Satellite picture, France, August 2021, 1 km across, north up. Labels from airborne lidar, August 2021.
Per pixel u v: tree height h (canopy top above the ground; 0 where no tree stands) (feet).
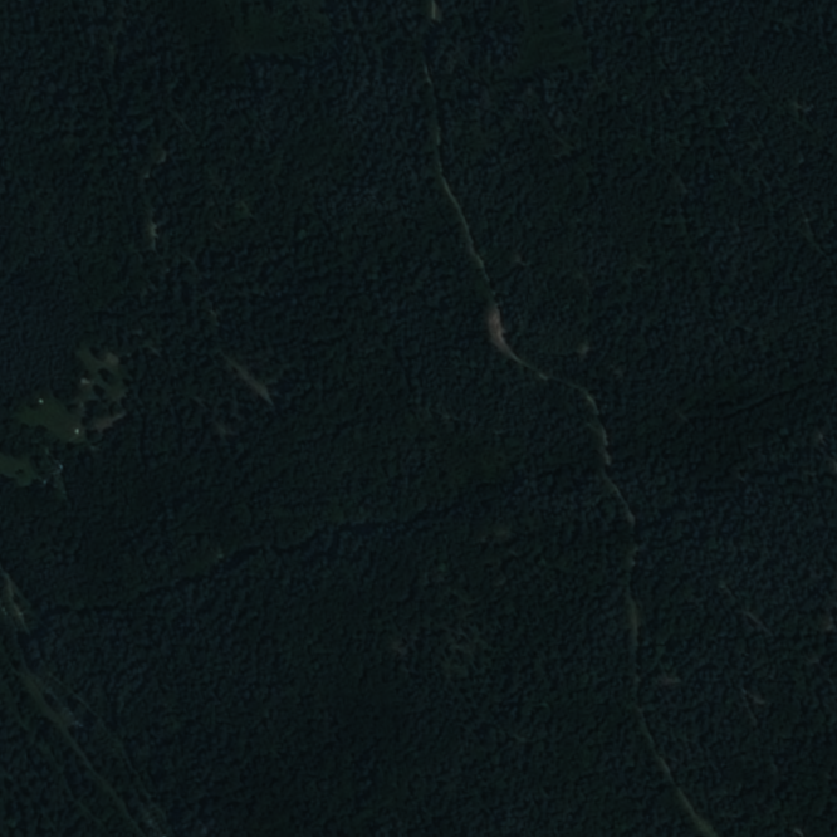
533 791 78
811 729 82
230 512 86
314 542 104
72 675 125
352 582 94
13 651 47
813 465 83
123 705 73
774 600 82
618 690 78
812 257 78
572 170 72
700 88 75
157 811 28
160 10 23
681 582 39
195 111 59
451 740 78
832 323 69
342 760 58
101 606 32
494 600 52
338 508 75
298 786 58
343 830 38
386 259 62
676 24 78
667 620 52
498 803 68
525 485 108
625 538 80
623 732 62
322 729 92
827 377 51
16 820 112
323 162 63
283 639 89
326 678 92
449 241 73
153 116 81
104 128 60
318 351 103
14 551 111
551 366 65
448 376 68
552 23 0
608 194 68
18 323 110
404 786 91
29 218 85
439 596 72
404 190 53
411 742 102
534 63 0
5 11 108
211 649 100
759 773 77
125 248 86
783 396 66
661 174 70
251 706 97
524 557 18
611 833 67
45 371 104
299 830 58
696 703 75
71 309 106
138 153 49
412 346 92
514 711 61
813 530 29
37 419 0
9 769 126
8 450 80
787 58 71
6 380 91
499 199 68
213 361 60
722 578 81
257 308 94
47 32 97
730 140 91
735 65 63
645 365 86
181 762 97
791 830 40
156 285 77
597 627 55
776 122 85
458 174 58
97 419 80
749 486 82
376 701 100
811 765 80
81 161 63
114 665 95
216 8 25
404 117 74
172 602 67
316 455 78
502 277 59
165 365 73
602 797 62
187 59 92
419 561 97
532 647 25
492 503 89
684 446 44
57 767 23
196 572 61
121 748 32
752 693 73
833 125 61
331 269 84
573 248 46
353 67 71
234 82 19
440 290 73
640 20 80
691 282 85
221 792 93
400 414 51
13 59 94
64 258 99
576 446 74
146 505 52
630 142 67
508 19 25
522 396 64
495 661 44
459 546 76
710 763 90
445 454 21
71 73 91
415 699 101
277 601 96
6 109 103
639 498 93
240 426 100
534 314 26
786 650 65
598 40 65
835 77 62
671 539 89
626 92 76
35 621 24
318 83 92
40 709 18
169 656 37
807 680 22
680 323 91
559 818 79
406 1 68
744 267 35
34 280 110
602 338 63
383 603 89
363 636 64
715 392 35
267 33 0
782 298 61
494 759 73
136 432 80
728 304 90
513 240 75
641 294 72
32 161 97
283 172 64
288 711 97
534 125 56
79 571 107
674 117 85
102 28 87
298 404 91
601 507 25
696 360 70
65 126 96
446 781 24
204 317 87
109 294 85
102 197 39
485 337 41
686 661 96
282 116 103
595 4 44
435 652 36
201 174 52
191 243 63
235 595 101
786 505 33
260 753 67
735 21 67
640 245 57
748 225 79
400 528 126
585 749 62
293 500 81
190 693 89
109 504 27
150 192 62
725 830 25
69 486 49
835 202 67
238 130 25
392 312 73
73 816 86
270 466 98
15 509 85
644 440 50
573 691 57
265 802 92
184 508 101
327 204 77
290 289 73
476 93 61
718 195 73
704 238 30
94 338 74
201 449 94
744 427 60
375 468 82
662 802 89
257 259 78
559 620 52
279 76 115
